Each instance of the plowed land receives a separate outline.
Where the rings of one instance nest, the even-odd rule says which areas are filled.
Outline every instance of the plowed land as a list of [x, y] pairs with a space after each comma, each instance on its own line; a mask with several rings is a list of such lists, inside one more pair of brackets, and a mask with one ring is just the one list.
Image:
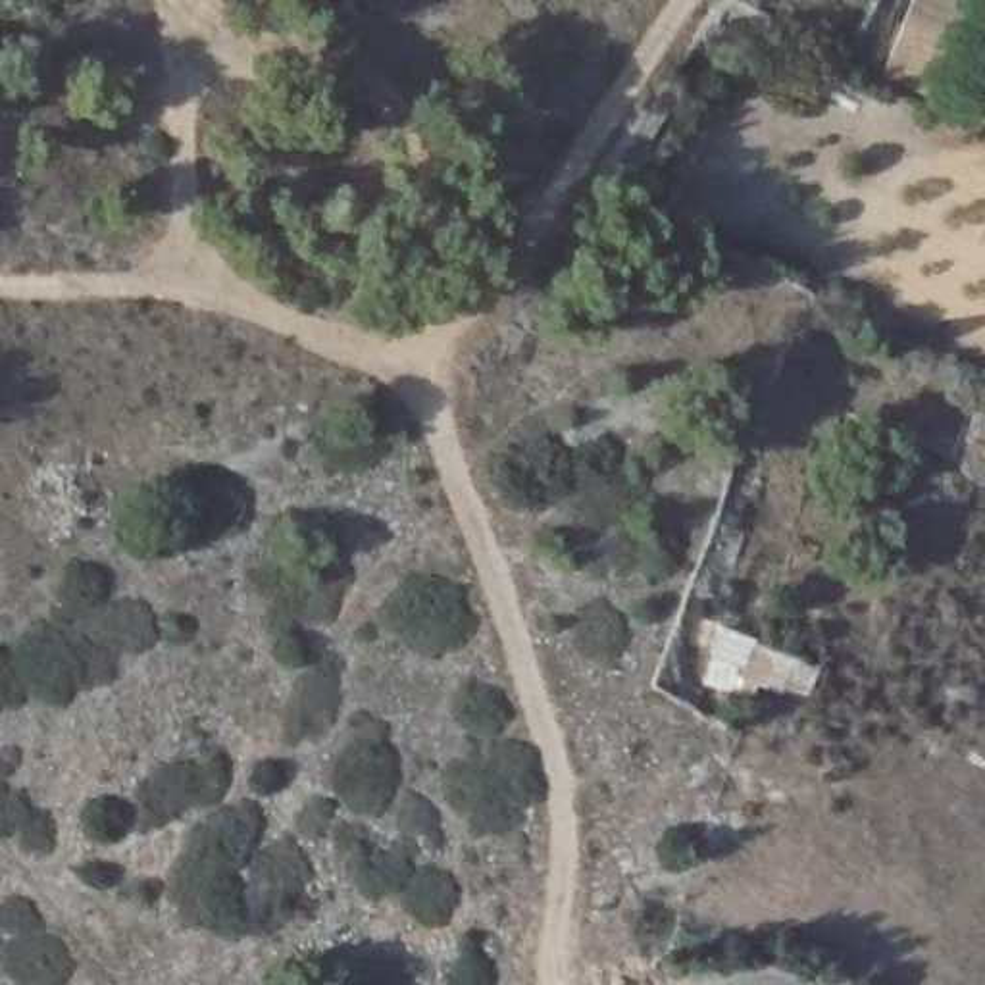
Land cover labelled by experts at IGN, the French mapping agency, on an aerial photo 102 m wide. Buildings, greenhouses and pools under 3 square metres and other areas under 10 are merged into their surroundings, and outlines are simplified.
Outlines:
[[[877, 142], [897, 142], [904, 158], [873, 177], [846, 177], [843, 162], [854, 150]], [[908, 104], [885, 104], [866, 92], [835, 96], [835, 104], [823, 115], [789, 115], [777, 112], [770, 100], [754, 96], [743, 115], [743, 139], [723, 158], [708, 158], [708, 150], [700, 150], [689, 139], [681, 154], [658, 158], [658, 146], [646, 139], [631, 146], [631, 154], [639, 154], [643, 162], [662, 173], [650, 200], [669, 219], [677, 212], [704, 215], [716, 231], [720, 258], [750, 254], [758, 262], [777, 258], [789, 265], [796, 250], [812, 246], [812, 258], [827, 273], [827, 289], [843, 289], [846, 277], [870, 277], [889, 285], [900, 304], [939, 308], [958, 327], [958, 335], [985, 327], [985, 142], [970, 146], [958, 127], [920, 127]], [[827, 200], [862, 204], [862, 215], [843, 223], [835, 239], [812, 223], [812, 200], [820, 192]], [[866, 246], [858, 239], [881, 239], [893, 231], [920, 231], [923, 242], [916, 250], [900, 250], [889, 258], [866, 258]]]

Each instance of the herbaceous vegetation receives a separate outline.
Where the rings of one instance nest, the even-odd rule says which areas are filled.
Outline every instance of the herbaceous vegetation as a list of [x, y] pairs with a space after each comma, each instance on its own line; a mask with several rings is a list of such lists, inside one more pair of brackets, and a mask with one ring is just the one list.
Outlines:
[[[162, 46], [169, 42], [169, 35], [162, 35], [154, 0], [0, 0], [0, 46], [8, 38], [38, 42], [38, 88], [31, 96], [4, 96], [0, 88], [0, 173], [15, 165], [19, 123], [46, 139], [42, 177], [23, 177], [19, 196], [12, 189], [0, 189], [0, 273], [131, 273], [135, 250], [165, 231], [169, 212], [185, 208], [215, 196], [227, 181], [212, 169], [208, 158], [196, 158], [189, 165], [177, 162], [177, 139], [165, 131], [162, 119], [165, 108], [177, 108], [177, 100], [165, 92]], [[131, 100], [131, 112], [115, 127], [96, 127], [88, 119], [69, 115], [65, 85], [85, 58], [100, 65], [100, 88], [108, 96]], [[85, 219], [85, 192], [100, 189], [108, 177], [127, 177], [119, 196], [123, 212], [135, 219], [123, 231], [100, 239]]]
[[681, 23], [673, 50], [689, 58], [727, 15], [750, 19], [762, 12], [766, 19], [773, 19], [781, 8], [796, 12], [831, 0], [700, 0]]
[[862, 31], [877, 35], [889, 46], [908, 12], [908, 0], [835, 0], [858, 8]]
[[[966, 523], [977, 516], [977, 489], [985, 485], [985, 389], [970, 385], [970, 377], [962, 377], [962, 366], [939, 354], [912, 350], [904, 358], [889, 358], [889, 342], [877, 339], [873, 323], [862, 312], [862, 300], [843, 296], [843, 289], [827, 289], [808, 289], [804, 281], [777, 281], [766, 289], [704, 292], [693, 316], [673, 327], [631, 327], [608, 339], [573, 331], [558, 335], [550, 323], [539, 319], [539, 300], [550, 289], [550, 281], [573, 262], [577, 200], [593, 192], [596, 177], [619, 181], [631, 165], [643, 162], [639, 154], [631, 154], [631, 146], [646, 139], [658, 131], [662, 115], [646, 112], [646, 96], [627, 96], [627, 85], [639, 73], [635, 50], [658, 19], [658, 12], [666, 8], [666, 0], [342, 0], [342, 19], [331, 19], [323, 46], [323, 50], [323, 62], [335, 73], [331, 104], [342, 112], [342, 127], [358, 139], [377, 127], [408, 127], [412, 104], [450, 65], [446, 50], [477, 31], [504, 42], [504, 58], [519, 73], [519, 81], [535, 77], [550, 88], [546, 100], [523, 123], [523, 146], [516, 150], [500, 142], [493, 150], [493, 165], [485, 169], [485, 181], [500, 185], [500, 200], [512, 215], [508, 273], [519, 296], [496, 300], [493, 312], [462, 316], [469, 323], [469, 335], [454, 350], [454, 385], [435, 389], [423, 377], [381, 381], [373, 373], [331, 362], [316, 350], [304, 350], [292, 335], [277, 335], [269, 327], [231, 319], [219, 312], [192, 312], [177, 300], [0, 296], [0, 643], [23, 639], [38, 619], [46, 619], [58, 608], [65, 566], [81, 581], [96, 585], [96, 604], [108, 604], [119, 593], [142, 596], [158, 612], [181, 612], [177, 631], [185, 639], [185, 646], [158, 643], [135, 658], [123, 658], [115, 681], [77, 693], [69, 708], [23, 704], [0, 712], [0, 746], [23, 746], [23, 766], [15, 770], [12, 785], [27, 789], [35, 804], [54, 816], [58, 827], [58, 843], [50, 854], [31, 854], [15, 839], [0, 839], [0, 900], [31, 897], [38, 904], [46, 923], [65, 939], [73, 954], [69, 985], [262, 985], [262, 973], [269, 966], [308, 950], [323, 950], [319, 970], [331, 977], [331, 985], [539, 985], [535, 962], [550, 873], [546, 800], [531, 804], [523, 812], [523, 823], [508, 835], [473, 835], [469, 820], [446, 796], [446, 766], [466, 754], [466, 727], [454, 716], [454, 700], [466, 677], [496, 685], [489, 693], [493, 750], [504, 750], [512, 739], [531, 739], [527, 720], [519, 716], [512, 696], [504, 639], [481, 593], [473, 596], [473, 608], [481, 612], [477, 635], [442, 658], [416, 654], [404, 635], [392, 631], [381, 604], [400, 589], [404, 573], [412, 569], [442, 573], [450, 581], [477, 589], [469, 543], [454, 519], [450, 496], [439, 481], [427, 442], [435, 412], [454, 412], [473, 485], [493, 512], [496, 543], [527, 550], [523, 562], [512, 569], [512, 581], [519, 593], [523, 619], [531, 623], [535, 654], [550, 700], [558, 708], [558, 727], [577, 777], [577, 950], [589, 962], [619, 966], [623, 985], [666, 985], [669, 977], [681, 977], [673, 966], [677, 947], [712, 943], [723, 927], [758, 927], [773, 920], [804, 923], [831, 912], [881, 916], [881, 927], [893, 939], [897, 954], [904, 962], [923, 962], [927, 973], [920, 985], [985, 985], [985, 716], [966, 720], [947, 735], [931, 727], [923, 739], [912, 743], [877, 743], [866, 773], [827, 781], [831, 762], [808, 762], [808, 750], [820, 735], [812, 693], [716, 693], [712, 712], [700, 712], [696, 704], [662, 689], [666, 662], [677, 650], [677, 635], [693, 596], [731, 596], [735, 589], [758, 612], [773, 608], [773, 619], [793, 619], [793, 600], [800, 608], [820, 608], [850, 593], [866, 604], [870, 619], [881, 619], [885, 596], [897, 593], [897, 577], [870, 585], [862, 581], [854, 562], [839, 558], [843, 539], [858, 531], [858, 512], [843, 519], [831, 516], [823, 504], [808, 508], [800, 500], [804, 477], [789, 446], [804, 446], [816, 423], [823, 423], [835, 412], [846, 412], [850, 404], [858, 412], [877, 412], [885, 427], [900, 431], [920, 454], [904, 493], [873, 493], [881, 508], [893, 508], [904, 523], [904, 550], [912, 573], [947, 566], [962, 550]], [[746, 419], [731, 435], [735, 446], [720, 446], [712, 435], [689, 427], [685, 419], [685, 381], [677, 373], [716, 354], [727, 354], [727, 381], [746, 396]], [[400, 435], [404, 442], [396, 442], [396, 450], [377, 469], [323, 473], [323, 462], [304, 431], [316, 431], [319, 416], [339, 423], [339, 416], [362, 392], [369, 392], [366, 412], [373, 419], [373, 431]], [[596, 481], [593, 489], [573, 489], [566, 500], [550, 508], [512, 508], [500, 496], [504, 450], [508, 442], [543, 435], [546, 427], [558, 431], [569, 446], [596, 442], [600, 435], [619, 431], [627, 442], [627, 485], [639, 485], [643, 458], [646, 466], [658, 466], [662, 442], [681, 446], [685, 462], [658, 477], [658, 489], [666, 496], [650, 512], [643, 504], [627, 512], [604, 481]], [[104, 504], [123, 485], [142, 485], [162, 473], [173, 489], [185, 489], [192, 496], [192, 519], [185, 523], [189, 550], [162, 562], [142, 562], [127, 550], [115, 554], [115, 531], [104, 516]], [[335, 554], [319, 569], [319, 581], [346, 585], [339, 616], [323, 623], [319, 635], [327, 639], [327, 646], [342, 658], [342, 704], [323, 735], [304, 743], [281, 739], [289, 720], [289, 696], [296, 685], [292, 666], [273, 658], [273, 643], [265, 631], [265, 600], [250, 593], [246, 569], [246, 554], [258, 550], [258, 539], [273, 512], [292, 508], [292, 523], [304, 546], [319, 550], [331, 543]], [[585, 569], [562, 569], [558, 558], [535, 550], [535, 535], [554, 523], [596, 531], [600, 562]], [[573, 643], [573, 631], [550, 627], [550, 616], [573, 612], [593, 596], [612, 600], [627, 616], [631, 646], [623, 650], [619, 666], [600, 666], [585, 658]], [[385, 758], [385, 816], [354, 812], [350, 793], [331, 785], [331, 762], [339, 750], [346, 750], [346, 743], [373, 743], [373, 754]], [[131, 831], [119, 843], [104, 843], [88, 839], [81, 827], [85, 804], [92, 796], [127, 800], [162, 762], [212, 762], [227, 746], [227, 754], [235, 758], [227, 804], [262, 804], [269, 816], [265, 835], [292, 835], [292, 843], [308, 850], [316, 870], [316, 877], [304, 885], [304, 893], [319, 908], [312, 920], [289, 920], [269, 939], [223, 939], [200, 927], [185, 927], [173, 900], [142, 904], [142, 881], [165, 877], [177, 866], [189, 831], [204, 823], [204, 808], [196, 804], [181, 820], [154, 831]], [[658, 862], [658, 843], [669, 827], [681, 843], [696, 850], [700, 866], [666, 870]], [[366, 831], [377, 843], [400, 839], [416, 850], [416, 862], [442, 866], [458, 877], [462, 904], [442, 927], [423, 927], [396, 900], [369, 900], [350, 881], [358, 873], [358, 839]]]

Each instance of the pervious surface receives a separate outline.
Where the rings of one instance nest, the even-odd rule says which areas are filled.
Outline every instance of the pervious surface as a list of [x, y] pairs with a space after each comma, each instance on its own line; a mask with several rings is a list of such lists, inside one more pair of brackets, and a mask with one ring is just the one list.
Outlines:
[[192, 227], [192, 212], [185, 208], [169, 212], [165, 231], [135, 250], [131, 273], [0, 273], [0, 296], [177, 300], [192, 312], [219, 312], [231, 319], [269, 327], [277, 335], [292, 335], [304, 350], [316, 350], [331, 362], [373, 373], [381, 381], [423, 377], [435, 389], [454, 385], [454, 350], [469, 335], [469, 323], [462, 316], [450, 323], [431, 323], [416, 335], [389, 339], [350, 319], [339, 319], [335, 312], [300, 312], [269, 296], [258, 281], [239, 277], [219, 246], [200, 239], [200, 231]]
[[454, 412], [435, 412], [427, 442], [439, 481], [450, 496], [454, 519], [469, 543], [477, 589], [481, 593], [504, 639], [512, 696], [519, 716], [527, 720], [531, 739], [543, 754], [550, 785], [546, 800], [550, 873], [535, 962], [539, 985], [623, 985], [619, 966], [589, 962], [577, 950], [577, 777], [558, 727], [558, 708], [550, 700], [535, 654], [531, 623], [523, 619], [519, 593], [512, 581], [512, 569], [523, 562], [527, 550], [496, 543], [493, 512], [473, 485]]
[[639, 73], [627, 85], [627, 96], [646, 96], [650, 73], [673, 50], [681, 23], [700, 0], [666, 0], [666, 8], [658, 12], [658, 19], [635, 50]]
[[323, 50], [323, 46], [304, 31], [231, 31], [223, 0], [154, 0], [162, 35], [169, 35], [169, 42], [162, 46], [165, 92], [177, 100], [177, 108], [165, 108], [162, 119], [165, 131], [177, 139], [177, 162], [189, 165], [196, 158], [200, 112], [192, 96], [200, 88], [212, 88], [223, 73], [242, 81], [254, 77], [258, 54]]

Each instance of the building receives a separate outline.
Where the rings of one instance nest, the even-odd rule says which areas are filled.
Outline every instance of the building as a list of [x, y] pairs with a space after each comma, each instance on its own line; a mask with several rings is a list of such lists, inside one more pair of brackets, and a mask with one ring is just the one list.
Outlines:
[[781, 654], [766, 643], [754, 643], [750, 635], [731, 631], [720, 619], [704, 619], [696, 643], [704, 654], [704, 685], [716, 693], [812, 693], [816, 669], [808, 662]]
[[923, 73], [939, 54], [943, 31], [958, 19], [958, 0], [908, 0], [908, 12], [889, 46], [889, 65], [897, 73]]

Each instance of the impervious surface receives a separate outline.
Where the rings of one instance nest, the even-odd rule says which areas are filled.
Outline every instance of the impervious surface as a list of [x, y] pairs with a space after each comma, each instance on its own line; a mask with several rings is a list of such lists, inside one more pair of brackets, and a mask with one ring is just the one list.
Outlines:
[[720, 973], [720, 985], [850, 985], [804, 981], [777, 966], [758, 966]]

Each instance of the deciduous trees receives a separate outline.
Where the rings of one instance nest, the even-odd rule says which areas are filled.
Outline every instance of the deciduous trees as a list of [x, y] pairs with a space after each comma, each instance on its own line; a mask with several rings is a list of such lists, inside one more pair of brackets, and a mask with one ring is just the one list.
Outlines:
[[308, 627], [292, 627], [273, 643], [273, 658], [292, 666], [319, 662], [327, 646], [327, 639], [319, 635]]
[[119, 843], [131, 831], [135, 808], [127, 800], [92, 796], [85, 804], [81, 827], [88, 839], [104, 843]]
[[685, 381], [685, 419], [689, 427], [712, 435], [720, 446], [735, 446], [731, 435], [746, 419], [746, 396], [727, 381], [727, 354], [716, 354], [677, 373]]
[[920, 231], [893, 231], [881, 239], [858, 239], [866, 246], [866, 258], [889, 258], [900, 250], [916, 250], [923, 242]]
[[631, 165], [619, 181], [596, 177], [593, 192], [577, 200], [573, 262], [550, 281], [550, 289], [539, 300], [539, 319], [550, 323], [558, 335], [573, 331], [608, 339], [631, 327], [673, 327], [693, 316], [704, 292], [766, 289], [777, 281], [804, 281], [808, 289], [827, 289], [827, 273], [812, 258], [812, 246], [796, 250], [789, 265], [777, 258], [758, 262], [750, 254], [720, 258], [716, 231], [704, 215], [677, 212], [669, 219], [650, 200], [662, 173], [643, 162]]
[[23, 177], [42, 177], [46, 139], [19, 123], [15, 165], [0, 173], [0, 189], [12, 189], [19, 196]]
[[727, 15], [689, 58], [673, 50], [650, 73], [646, 96], [646, 112], [662, 115], [658, 131], [646, 139], [658, 146], [658, 158], [681, 154], [689, 139], [700, 150], [708, 150], [708, 158], [723, 158], [743, 139], [743, 115], [754, 96], [770, 100], [777, 112], [789, 115], [823, 115], [835, 104], [835, 96], [866, 92], [885, 104], [908, 104], [920, 127], [958, 127], [970, 146], [985, 142], [985, 0], [958, 0], [958, 19], [943, 31], [939, 54], [923, 73], [897, 73], [889, 65], [889, 46], [877, 35], [862, 31], [858, 8], [835, 0], [831, 0], [796, 12], [781, 8], [773, 19], [766, 19], [762, 12], [750, 19]]
[[835, 412], [823, 423], [816, 423], [804, 446], [789, 446], [804, 477], [800, 500], [808, 508], [823, 504], [831, 516], [843, 519], [858, 512], [858, 531], [843, 539], [839, 558], [854, 562], [862, 581], [870, 585], [897, 577], [912, 573], [904, 550], [904, 523], [893, 508], [881, 508], [873, 493], [904, 493], [920, 454], [900, 431], [885, 427], [877, 412], [858, 412], [850, 404], [846, 412]]
[[88, 119], [96, 127], [115, 127], [131, 112], [131, 100], [108, 96], [100, 88], [100, 65], [85, 58], [65, 85], [69, 115]]
[[246, 569], [285, 569], [296, 562], [304, 546], [292, 523], [292, 508], [273, 512], [258, 539], [258, 550], [246, 554]]
[[323, 46], [331, 19], [342, 19], [342, 0], [223, 0], [231, 31], [304, 31]]
[[85, 192], [85, 219], [100, 239], [123, 231], [135, 219], [123, 212], [119, 196], [127, 177], [108, 177], [100, 189]]
[[185, 523], [192, 519], [192, 496], [185, 489], [173, 489], [162, 473], [142, 485], [123, 485], [104, 504], [104, 516], [115, 531], [115, 554], [127, 550], [142, 562], [162, 562], [189, 550]]
[[658, 862], [666, 870], [700, 866], [696, 850], [681, 843], [669, 827], [658, 843]]
[[38, 88], [38, 42], [8, 38], [0, 46], [0, 88], [4, 96], [31, 96]]
[[843, 223], [862, 215], [862, 204], [827, 200], [820, 192], [812, 200], [812, 223], [835, 239]]
[[831, 912], [804, 923], [773, 920], [758, 927], [723, 927], [712, 943], [677, 947], [673, 966], [681, 977], [669, 977], [666, 985], [720, 985], [720, 973], [758, 966], [777, 966], [804, 981], [850, 985], [920, 985], [927, 973], [923, 962], [904, 962], [897, 954], [893, 939], [881, 927], [881, 916]]
[[319, 970], [323, 950], [308, 950], [269, 966], [262, 973], [262, 985], [331, 985], [331, 977]]
[[373, 419], [366, 412], [369, 392], [362, 392], [339, 416], [339, 423], [319, 416], [316, 431], [304, 431], [323, 462], [323, 473], [377, 469], [396, 450], [396, 442], [404, 442], [400, 435], [373, 431]]
[[854, 150], [843, 162], [846, 177], [873, 177], [904, 158], [897, 142], [877, 142]]
[[192, 212], [192, 227], [200, 231], [200, 239], [219, 246], [239, 277], [258, 281], [269, 296], [300, 312], [335, 312], [339, 319], [350, 319], [389, 339], [416, 335], [431, 323], [450, 323], [462, 316], [493, 312], [496, 300], [519, 296], [508, 273], [512, 215], [500, 200], [500, 185], [485, 181], [485, 169], [493, 165], [493, 150], [500, 142], [516, 150], [523, 146], [523, 123], [546, 100], [550, 88], [535, 77], [519, 81], [519, 73], [504, 58], [504, 42], [477, 31], [446, 50], [450, 65], [412, 104], [408, 127], [377, 127], [358, 139], [342, 127], [342, 112], [331, 104], [335, 73], [323, 62], [323, 50], [258, 54], [254, 77], [242, 81], [223, 73], [212, 88], [200, 88], [192, 96], [200, 112], [196, 158], [208, 158], [212, 169], [227, 181], [215, 196], [185, 208]]

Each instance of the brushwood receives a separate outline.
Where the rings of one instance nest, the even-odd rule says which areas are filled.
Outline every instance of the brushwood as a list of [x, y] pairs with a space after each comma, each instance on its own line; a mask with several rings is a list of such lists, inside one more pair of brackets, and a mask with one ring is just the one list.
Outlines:
[[535, 550], [558, 558], [562, 569], [585, 569], [600, 562], [596, 531], [554, 523], [535, 535]]
[[650, 512], [666, 496], [658, 489], [658, 477], [685, 462], [681, 446], [662, 442], [658, 466], [646, 466], [643, 458], [639, 485], [627, 485], [627, 442], [619, 431], [600, 435], [596, 442], [569, 446], [558, 431], [546, 427], [543, 435], [508, 442], [504, 450], [500, 496], [512, 508], [550, 508], [566, 500], [573, 489], [593, 489], [596, 481], [604, 481], [627, 512], [643, 504]]
[[0, 900], [0, 985], [69, 985], [73, 954], [65, 939], [46, 923], [38, 904], [31, 897]]
[[531, 804], [546, 800], [550, 785], [543, 754], [531, 739], [512, 739], [504, 750], [493, 750], [489, 693], [496, 685], [466, 677], [454, 700], [454, 716], [466, 727], [466, 754], [446, 766], [446, 796], [469, 820], [473, 835], [508, 835], [523, 823], [523, 812]]
[[400, 839], [377, 843], [366, 831], [358, 839], [358, 873], [350, 881], [369, 900], [396, 900], [423, 927], [442, 927], [462, 904], [458, 877], [442, 866], [416, 862], [416, 850]]
[[939, 354], [962, 366], [962, 377], [970, 377], [970, 385], [985, 389], [985, 327], [958, 335], [958, 327], [939, 308], [900, 304], [889, 285], [870, 277], [846, 277], [843, 289], [843, 296], [862, 300], [862, 312], [873, 323], [877, 339], [889, 342], [889, 358], [904, 358], [912, 350]]
[[704, 654], [696, 643], [704, 619], [720, 619], [731, 631], [750, 635], [754, 643], [766, 643], [781, 654], [808, 662], [816, 669], [812, 693], [820, 735], [808, 750], [808, 762], [831, 762], [827, 781], [866, 773], [877, 743], [912, 743], [923, 739], [931, 727], [947, 735], [966, 720], [985, 716], [985, 485], [977, 489], [977, 516], [966, 523], [962, 550], [947, 566], [912, 573], [897, 577], [897, 593], [885, 596], [881, 619], [870, 619], [866, 604], [850, 593], [820, 608], [800, 608], [793, 600], [793, 619], [773, 619], [773, 608], [758, 612], [735, 589], [731, 596], [693, 596], [677, 635], [677, 650], [666, 662], [662, 689], [696, 704], [700, 712], [712, 712], [716, 693], [704, 685]]
[[15, 839], [31, 854], [50, 854], [58, 843], [58, 827], [54, 816], [35, 804], [27, 789], [12, 785], [15, 770], [23, 766], [23, 746], [0, 746], [0, 839]]
[[477, 589], [450, 581], [442, 573], [412, 569], [404, 573], [400, 589], [381, 604], [392, 631], [404, 635], [416, 654], [442, 658], [477, 635], [481, 612], [473, 608], [473, 596], [481, 593]]
[[385, 758], [373, 754], [373, 743], [346, 743], [346, 750], [339, 750], [331, 762], [331, 785], [350, 793], [354, 812], [385, 816]]
[[573, 631], [573, 643], [585, 658], [600, 666], [619, 666], [623, 650], [631, 646], [627, 616], [612, 600], [593, 596], [573, 612], [550, 616], [550, 627]]
[[142, 596], [119, 593], [108, 604], [96, 604], [96, 585], [81, 581], [65, 566], [58, 608], [46, 619], [38, 619], [23, 639], [0, 643], [0, 712], [23, 704], [69, 708], [77, 693], [115, 681], [123, 658], [135, 658], [158, 643], [185, 646], [185, 639], [177, 631], [181, 612], [158, 612]]
[[342, 658], [327, 646], [319, 662], [292, 666], [296, 685], [289, 696], [289, 720], [281, 739], [304, 743], [323, 735], [342, 704]]
[[331, 543], [319, 550], [304, 546], [296, 562], [285, 569], [246, 569], [250, 593], [265, 600], [265, 631], [273, 643], [292, 627], [308, 627], [319, 635], [323, 623], [339, 616], [346, 585], [319, 581], [319, 569], [335, 554]]
[[292, 843], [292, 835], [265, 835], [269, 816], [262, 804], [227, 804], [235, 758], [227, 754], [227, 746], [212, 762], [162, 762], [127, 800], [135, 808], [131, 831], [154, 831], [181, 820], [196, 804], [204, 808], [204, 823], [189, 831], [177, 866], [165, 877], [142, 881], [142, 904], [173, 900], [185, 927], [200, 927], [223, 939], [269, 939], [289, 920], [312, 920], [319, 908], [304, 893], [304, 885], [316, 877], [316, 870], [308, 850]]

